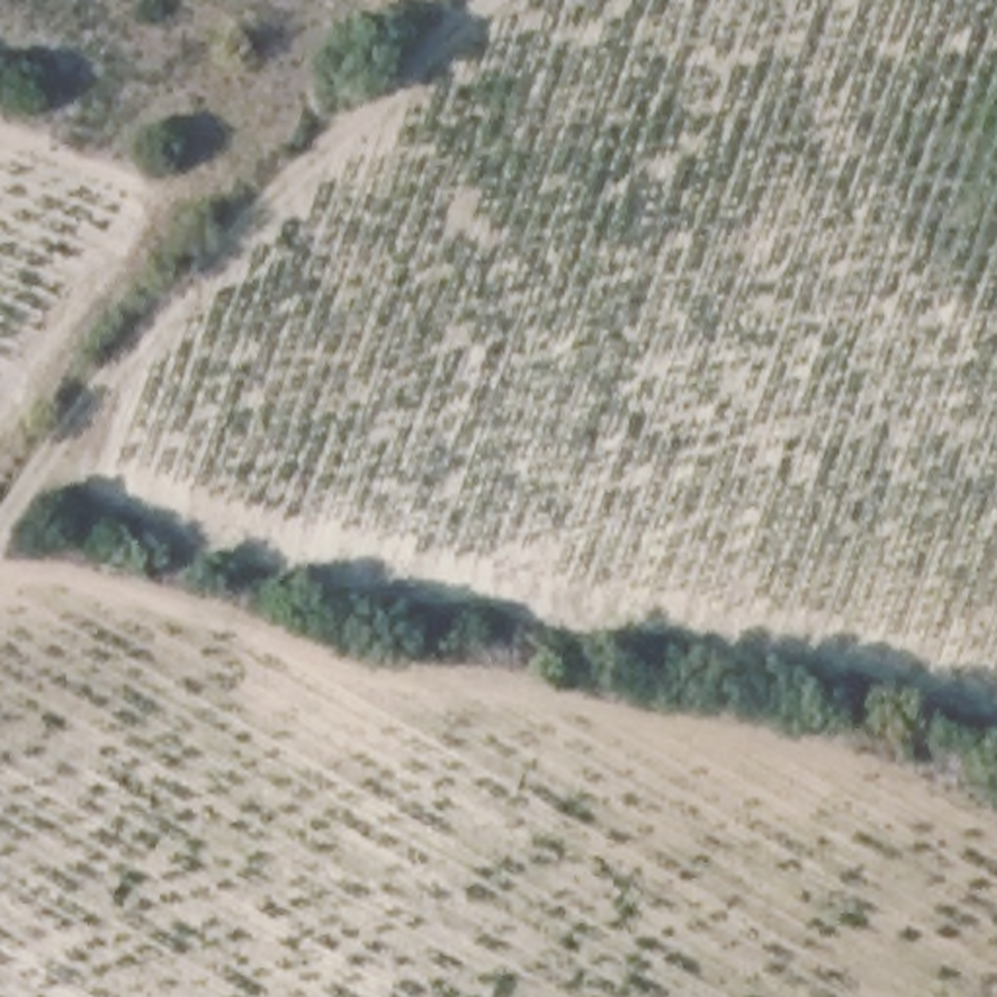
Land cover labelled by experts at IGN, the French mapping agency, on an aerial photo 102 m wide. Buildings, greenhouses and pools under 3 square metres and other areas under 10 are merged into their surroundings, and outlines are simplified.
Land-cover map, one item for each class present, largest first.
<instances>
[{"label":"vineyard","instance_id":"1","mask_svg":"<svg viewBox=\"0 0 997 997\"><path fill-rule=\"evenodd\" d=\"M471 16L487 19V55L452 62V70L436 82L405 86L389 97L339 113L331 129L315 140V148L280 167V175L265 187V226L241 238L238 257L210 277H195L179 296H171L167 308H160V315L152 319V327H144L132 351L93 370L86 386L105 389V401L93 413L90 428L70 440H58L47 417L55 409V393L66 382L74 354L82 351V319L125 273V257L144 234L148 218L167 214L175 203L203 199L191 191L183 175L148 179L136 164H117L101 152H74L62 140H51V132L35 117L8 121L0 129V569L8 561H31L16 541V526L27 514V506L43 491L101 479L109 421L117 409V393L129 386L132 366L148 378L132 417V425L144 428L148 440L125 444L121 460L171 471L175 479L203 483L214 499L265 506L284 518L323 514L343 530H389V537H413L417 553L452 549L456 557H487L499 545H534L553 537L561 549L557 572L569 576V592H553V608L541 619L565 631H615L627 623H643L650 611H666L674 627L709 631L724 639L767 631L779 639H802L818 646L833 635H853L857 643L907 650L927 670L974 666L997 674V0H471ZM269 623L241 608L234 596H195L179 619L132 608V615L117 631L101 627L97 619L74 608L62 611L58 627H8L0 619V997H997V810L966 802L958 752L927 763H888L853 752L845 736H783L771 724H752L728 713H650L623 697H588L576 689H557L537 674L506 666H389L362 693V701L386 709L382 736H393L401 748H409V759L382 767L366 752H343L319 763L315 771H292L277 748H257L249 732L226 724L230 713L241 709L238 685L249 670H280L277 654H261L249 646L253 635Z\"/></svg>","mask_w":997,"mask_h":997},{"label":"herbaceous vegetation","instance_id":"2","mask_svg":"<svg viewBox=\"0 0 997 997\"><path fill-rule=\"evenodd\" d=\"M471 0H0V129L8 121L35 117L51 132V140H62L74 152H101L117 164H136L148 179L183 175L191 191L203 199L175 203L167 214L148 218L144 234L125 257V273L82 319V351L74 354L66 382L55 393V409L47 417L58 440H70L90 428L93 413L105 401V389L86 386L93 370L132 351L144 327H152V319L160 315V308H167L171 296H179L195 277H210L238 257L241 238L265 226V187L280 175V167L315 148V140L331 129L339 113L389 97L405 86L436 82L452 70V62L487 55V19L471 16Z\"/></svg>","mask_w":997,"mask_h":997},{"label":"deciduous trees","instance_id":"3","mask_svg":"<svg viewBox=\"0 0 997 997\"><path fill-rule=\"evenodd\" d=\"M16 541L31 561L55 557L105 565L109 572L144 576L195 596H234L241 608L269 623L300 639L323 643L339 658L389 666H506L537 674L557 689H576L588 697H623L650 713H728L752 724H771L783 736H845L853 752L888 763H927L958 752L966 802L997 810V674L974 666L927 670L907 650L857 643L853 635H833L818 646L802 639H779L767 631L724 639L709 631L674 627L666 611H650L643 623H627L615 631H565L541 619L522 604L475 596L467 588L397 580L382 561L370 557L288 565L277 549L261 541L214 549L195 522H179L171 510L160 506H144L125 491L121 479H101L43 491L27 506V514L16 526Z\"/></svg>","mask_w":997,"mask_h":997},{"label":"plowed land","instance_id":"4","mask_svg":"<svg viewBox=\"0 0 997 997\"><path fill-rule=\"evenodd\" d=\"M148 378L132 366L129 386L117 393V409L109 421L101 479H121L125 491L144 506H160L171 510L179 522H195L214 549L261 541L277 549L288 565L370 557L382 561L397 580L467 588L475 596L522 604L541 619L553 608V592H569V576L557 572L561 549L553 537L534 545H499L487 557H456L452 549L417 553L413 537H389V530H343L323 514L284 518L265 506L214 499L203 483L175 479L171 471L121 460L125 444L148 440L144 428L132 425V417ZM195 596L144 576L109 572L105 565L55 557L31 561H8L0 569V619L8 627H58L62 611L74 608L97 619L101 627L117 631L132 615V608L179 619ZM249 646L261 654H277L280 670H249L238 685L241 709L230 713L226 724L249 732L257 748H277L292 771H315L319 763L343 752H366L382 767L409 759V748H401L393 736H382L386 709L362 701V693L389 666L339 658L323 643L300 639L269 623L253 635Z\"/></svg>","mask_w":997,"mask_h":997}]
</instances>
